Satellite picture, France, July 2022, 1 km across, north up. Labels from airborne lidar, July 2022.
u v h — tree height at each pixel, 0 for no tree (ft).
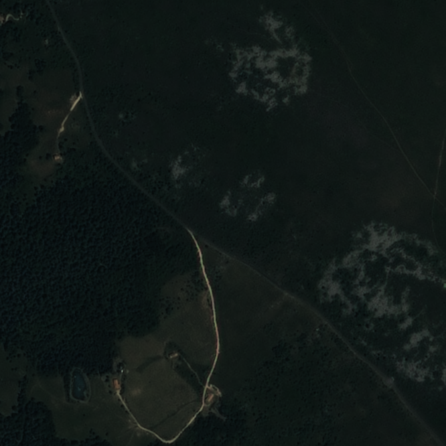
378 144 0
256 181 0
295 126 0
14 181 66
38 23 35
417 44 0
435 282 0
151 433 0
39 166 0
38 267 45
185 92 0
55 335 28
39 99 0
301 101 0
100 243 48
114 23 0
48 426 47
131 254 33
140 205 25
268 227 0
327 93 0
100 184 31
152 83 0
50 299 53
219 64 0
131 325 29
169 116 0
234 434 23
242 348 0
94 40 0
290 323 0
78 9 0
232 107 0
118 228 63
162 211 24
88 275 43
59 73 0
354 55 0
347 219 0
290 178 0
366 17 0
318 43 0
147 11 0
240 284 0
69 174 22
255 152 0
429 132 0
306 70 0
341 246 0
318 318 0
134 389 0
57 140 0
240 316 0
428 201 0
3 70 0
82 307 42
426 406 0
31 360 26
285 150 0
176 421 0
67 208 68
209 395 0
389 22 0
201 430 26
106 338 31
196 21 0
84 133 0
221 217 0
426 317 0
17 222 28
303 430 20
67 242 65
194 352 0
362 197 0
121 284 40
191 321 0
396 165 0
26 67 0
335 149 0
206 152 0
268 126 0
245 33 0
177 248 27
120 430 0
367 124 0
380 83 0
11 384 0
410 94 0
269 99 0
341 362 0
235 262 0
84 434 0
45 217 52
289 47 0
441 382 0
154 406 0
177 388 0
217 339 0
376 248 0
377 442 0
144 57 0
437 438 0
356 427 0
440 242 0
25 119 43
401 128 0
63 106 0
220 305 0
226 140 0
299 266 0
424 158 0
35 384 0
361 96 0
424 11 0
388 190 0
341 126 0
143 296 36
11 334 42
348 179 0
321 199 0
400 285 0
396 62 0
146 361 0
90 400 0
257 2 0
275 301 0
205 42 0
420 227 0
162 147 0
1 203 53
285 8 0
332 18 0
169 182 19
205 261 0
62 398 0
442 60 0
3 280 69
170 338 0
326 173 0
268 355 0
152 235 37
